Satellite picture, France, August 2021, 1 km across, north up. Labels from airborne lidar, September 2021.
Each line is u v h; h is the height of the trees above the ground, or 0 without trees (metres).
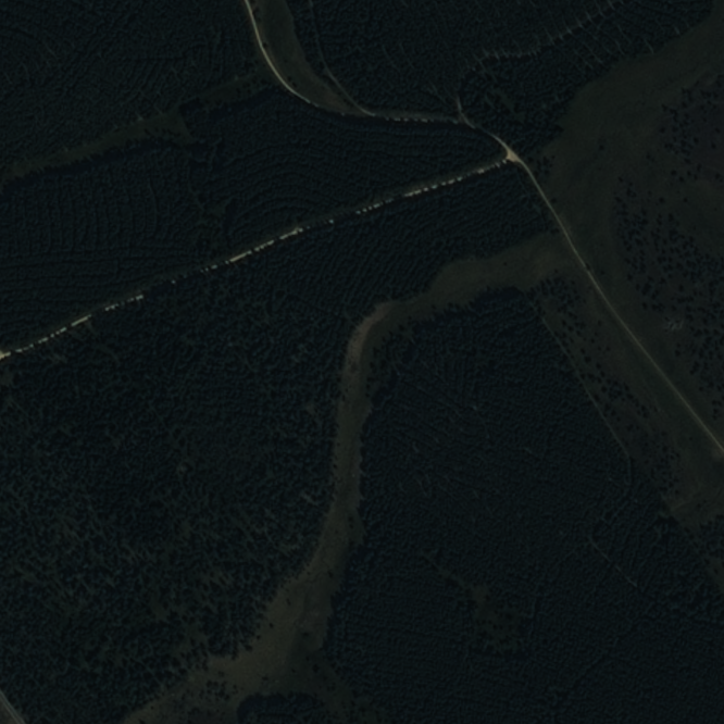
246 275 19
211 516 20
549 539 21
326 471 10
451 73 20
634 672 19
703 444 0
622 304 0
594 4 15
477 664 19
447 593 20
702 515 0
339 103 0
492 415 16
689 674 19
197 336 23
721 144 0
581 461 15
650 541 21
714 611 23
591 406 16
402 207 18
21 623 15
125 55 18
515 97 22
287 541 9
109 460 13
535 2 15
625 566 21
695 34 0
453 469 12
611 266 0
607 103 0
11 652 16
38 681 16
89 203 17
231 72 20
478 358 9
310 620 0
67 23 17
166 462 15
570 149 0
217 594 21
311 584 0
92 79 19
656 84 0
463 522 17
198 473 7
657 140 0
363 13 21
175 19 24
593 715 17
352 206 18
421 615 14
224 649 16
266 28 0
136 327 13
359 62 20
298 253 16
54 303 18
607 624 18
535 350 22
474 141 24
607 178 0
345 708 7
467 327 22
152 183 20
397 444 18
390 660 17
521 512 18
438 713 22
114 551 14
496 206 14
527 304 15
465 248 20
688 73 0
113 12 22
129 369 15
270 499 15
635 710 17
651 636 20
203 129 20
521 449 14
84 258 19
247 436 8
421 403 15
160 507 18
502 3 20
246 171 23
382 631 16
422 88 20
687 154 10
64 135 24
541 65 20
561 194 0
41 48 20
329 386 14
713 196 0
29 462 14
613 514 18
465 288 0
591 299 0
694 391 0
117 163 20
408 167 20
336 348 17
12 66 15
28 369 15
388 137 22
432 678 14
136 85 21
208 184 20
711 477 0
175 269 21
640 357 0
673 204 0
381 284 16
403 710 24
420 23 20
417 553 23
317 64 14
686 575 14
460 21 19
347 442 0
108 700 17
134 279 20
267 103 20
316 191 15
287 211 18
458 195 14
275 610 0
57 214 18
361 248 19
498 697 18
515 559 17
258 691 0
